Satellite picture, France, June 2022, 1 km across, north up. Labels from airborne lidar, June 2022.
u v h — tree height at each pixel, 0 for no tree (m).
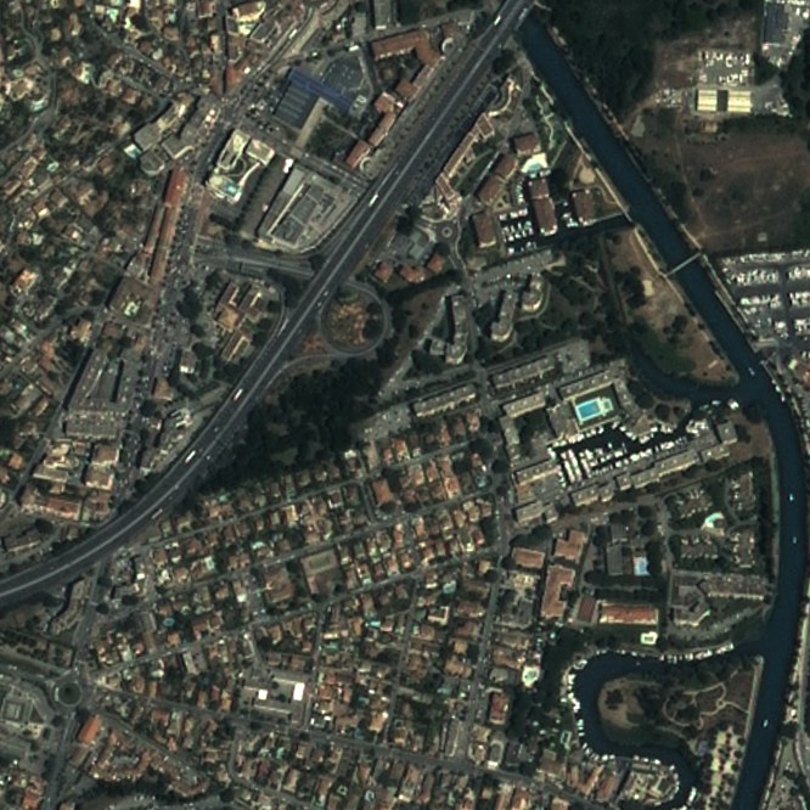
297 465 11
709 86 0
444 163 0
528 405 0
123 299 0
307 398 7
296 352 7
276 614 17
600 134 0
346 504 6
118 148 7
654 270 0
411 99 0
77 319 7
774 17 0
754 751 0
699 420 11
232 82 0
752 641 0
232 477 18
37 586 0
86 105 7
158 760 0
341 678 0
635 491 15
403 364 0
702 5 8
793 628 0
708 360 0
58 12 7
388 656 8
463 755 0
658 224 0
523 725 16
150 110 6
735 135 0
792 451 0
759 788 0
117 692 0
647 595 15
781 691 0
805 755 0
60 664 8
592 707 0
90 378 0
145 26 14
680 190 9
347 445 15
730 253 12
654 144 0
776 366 15
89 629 0
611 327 9
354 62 0
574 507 12
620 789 0
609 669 0
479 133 0
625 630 0
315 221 0
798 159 0
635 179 0
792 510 0
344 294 10
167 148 0
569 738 0
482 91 12
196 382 8
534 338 12
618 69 17
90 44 11
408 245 0
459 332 0
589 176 0
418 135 0
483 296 0
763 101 0
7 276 7
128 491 0
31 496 0
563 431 0
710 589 0
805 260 0
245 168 8
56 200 0
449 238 0
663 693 13
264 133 0
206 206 0
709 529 0
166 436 0
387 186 0
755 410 22
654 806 0
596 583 13
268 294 0
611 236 13
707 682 9
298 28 0
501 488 10
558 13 18
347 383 20
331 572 0
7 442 12
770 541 17
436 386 12
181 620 9
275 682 7
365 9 12
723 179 0
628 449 0
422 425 9
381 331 16
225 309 0
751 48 0
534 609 6
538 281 0
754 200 0
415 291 15
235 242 16
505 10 0
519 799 0
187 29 7
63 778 18
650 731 8
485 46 0
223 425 0
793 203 0
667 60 0
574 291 13
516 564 16
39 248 8
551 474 0
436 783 6
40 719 0
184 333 0
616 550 0
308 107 0
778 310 0
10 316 6
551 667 15
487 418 12
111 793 10
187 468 0
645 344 7
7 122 8
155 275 0
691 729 13
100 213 6
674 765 0
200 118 0
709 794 10
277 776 0
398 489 12
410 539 0
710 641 8
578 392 0
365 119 7
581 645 16
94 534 7
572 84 0
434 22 0
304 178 0
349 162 0
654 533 10
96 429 0
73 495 5
